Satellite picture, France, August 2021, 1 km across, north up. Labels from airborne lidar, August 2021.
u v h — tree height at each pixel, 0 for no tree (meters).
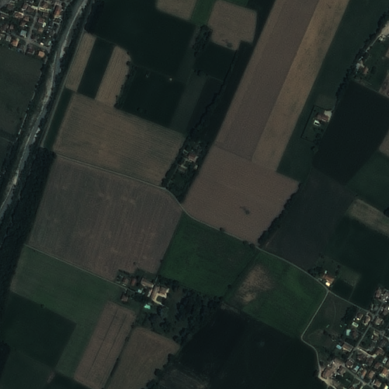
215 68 0
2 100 0
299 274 0
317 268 8
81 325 0
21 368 0
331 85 0
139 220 0
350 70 15
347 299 0
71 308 0
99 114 0
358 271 0
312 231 0
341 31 0
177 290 21
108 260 0
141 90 0
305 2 0
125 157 0
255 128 0
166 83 0
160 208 0
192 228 0
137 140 0
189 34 0
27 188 14
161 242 0
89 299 0
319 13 0
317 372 9
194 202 0
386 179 0
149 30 0
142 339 0
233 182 0
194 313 21
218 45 0
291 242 0
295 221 0
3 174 8
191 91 0
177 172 6
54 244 0
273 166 0
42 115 0
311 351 0
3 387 0
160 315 24
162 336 0
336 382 0
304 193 0
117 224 0
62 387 0
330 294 0
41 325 0
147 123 0
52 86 0
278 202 0
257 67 0
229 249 0
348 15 0
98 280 0
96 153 0
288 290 0
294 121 0
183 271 0
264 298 0
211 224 0
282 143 0
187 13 0
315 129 6
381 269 0
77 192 0
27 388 0
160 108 0
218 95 20
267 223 0
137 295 9
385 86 0
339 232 0
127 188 0
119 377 0
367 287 0
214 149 0
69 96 0
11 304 0
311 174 0
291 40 0
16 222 16
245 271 0
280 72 0
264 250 0
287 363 0
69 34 0
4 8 7
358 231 0
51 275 0
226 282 0
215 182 0
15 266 12
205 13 0
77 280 0
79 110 0
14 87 0
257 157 0
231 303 0
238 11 0
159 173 0
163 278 7
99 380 0
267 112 0
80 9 0
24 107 0
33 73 0
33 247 0
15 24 8
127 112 0
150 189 0
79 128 0
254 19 0
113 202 0
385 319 8
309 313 0
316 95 0
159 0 0
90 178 0
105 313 0
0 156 0
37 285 0
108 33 0
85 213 0
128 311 0
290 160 0
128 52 8
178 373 0
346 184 0
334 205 0
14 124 0
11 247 13
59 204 0
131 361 0
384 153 0
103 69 0
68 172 0
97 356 0
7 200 0
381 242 0
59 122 0
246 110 0
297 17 0
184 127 0
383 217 0
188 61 0
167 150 0
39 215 0
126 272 9
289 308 0
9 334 0
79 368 0
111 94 0
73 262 0
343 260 0
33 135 0
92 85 0
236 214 0
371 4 0
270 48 0
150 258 0
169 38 0
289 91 0
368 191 0
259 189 0
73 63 0
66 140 0
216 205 0
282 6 0
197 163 8
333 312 0
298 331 0
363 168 0
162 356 0
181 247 0
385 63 0
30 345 0
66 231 0
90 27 12
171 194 0
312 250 0
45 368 0
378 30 12
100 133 0
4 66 0
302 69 0
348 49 0
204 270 0
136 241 0
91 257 0
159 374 16
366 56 11
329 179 0
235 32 0
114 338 0
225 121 0
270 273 0
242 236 0
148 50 0
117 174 0
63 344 0
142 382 0
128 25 0
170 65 0
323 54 0
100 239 0
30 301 0
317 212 0
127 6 0
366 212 0
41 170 13
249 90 0
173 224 0
